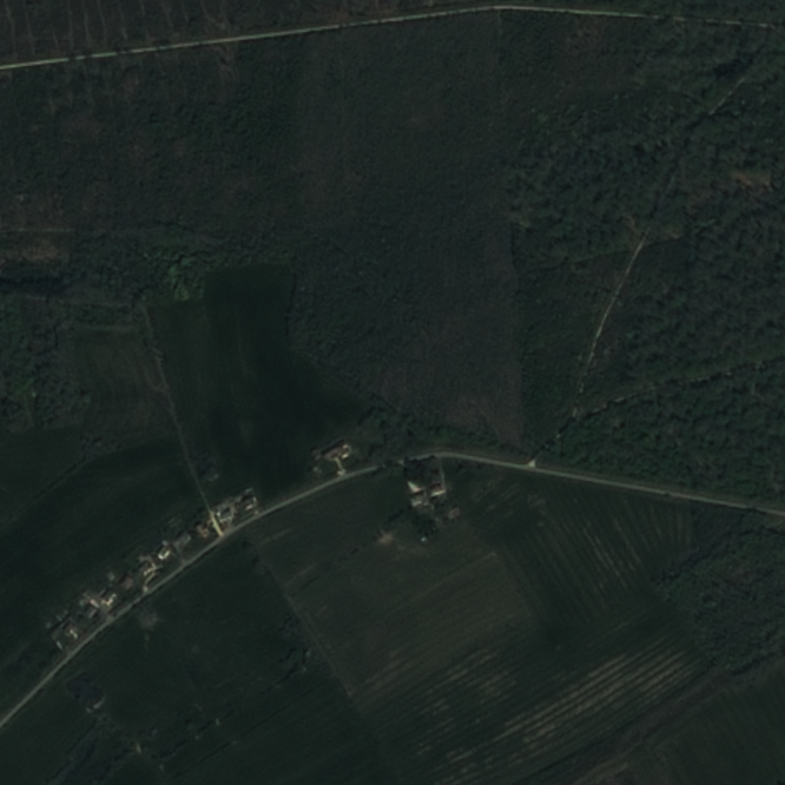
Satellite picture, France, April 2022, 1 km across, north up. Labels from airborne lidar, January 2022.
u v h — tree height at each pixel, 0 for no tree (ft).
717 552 51
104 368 0
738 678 48
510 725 0
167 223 33
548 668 0
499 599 0
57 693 0
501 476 0
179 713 0
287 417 0
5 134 28
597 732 0
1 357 54
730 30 63
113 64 27
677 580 40
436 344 48
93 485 0
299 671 21
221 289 0
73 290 65
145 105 33
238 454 0
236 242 58
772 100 81
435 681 0
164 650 0
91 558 0
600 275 23
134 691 0
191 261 39
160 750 0
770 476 80
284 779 0
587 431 71
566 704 0
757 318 85
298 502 0
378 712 0
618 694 0
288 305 0
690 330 80
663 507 0
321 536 0
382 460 64
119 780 0
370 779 0
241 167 26
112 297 66
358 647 0
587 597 0
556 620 0
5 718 0
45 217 23
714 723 0
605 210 69
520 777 0
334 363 54
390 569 0
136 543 0
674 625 0
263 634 0
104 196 31
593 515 0
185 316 0
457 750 0
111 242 71
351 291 53
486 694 0
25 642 0
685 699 0
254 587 0
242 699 0
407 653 0
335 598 0
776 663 51
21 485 0
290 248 61
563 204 89
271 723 0
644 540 0
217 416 0
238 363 0
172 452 0
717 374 79
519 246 60
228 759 0
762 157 66
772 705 0
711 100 60
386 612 0
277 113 33
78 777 0
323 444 0
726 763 0
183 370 0
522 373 35
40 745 0
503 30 25
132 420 0
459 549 0
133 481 0
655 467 70
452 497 0
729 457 87
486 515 0
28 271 0
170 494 0
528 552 0
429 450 0
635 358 83
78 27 0
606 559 0
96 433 0
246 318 0
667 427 60
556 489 0
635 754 0
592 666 0
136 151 30
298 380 0
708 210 50
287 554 0
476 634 0
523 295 31
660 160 62
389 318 51
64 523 0
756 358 47
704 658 0
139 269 70
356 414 0
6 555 0
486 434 34
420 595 0
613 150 88
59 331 52
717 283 81
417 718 0
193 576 0
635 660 0
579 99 26
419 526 20
